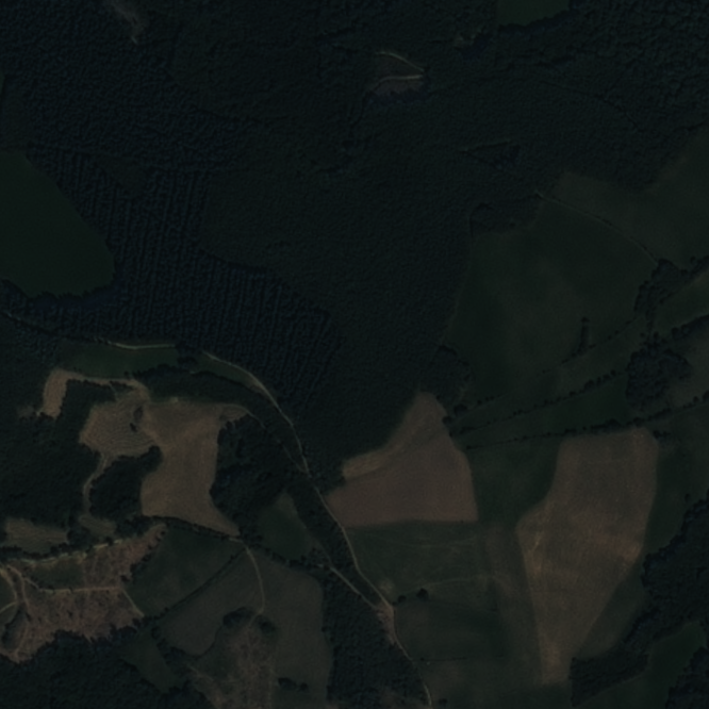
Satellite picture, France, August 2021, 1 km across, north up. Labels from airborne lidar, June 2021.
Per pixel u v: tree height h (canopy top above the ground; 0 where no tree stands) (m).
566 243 0
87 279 0
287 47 19
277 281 20
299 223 21
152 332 22
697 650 0
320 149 13
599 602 0
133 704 24
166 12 20
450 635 0
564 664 0
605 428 9
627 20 18
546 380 0
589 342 14
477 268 0
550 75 14
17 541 0
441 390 19
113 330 29
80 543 16
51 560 11
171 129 24
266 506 9
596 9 14
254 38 17
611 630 0
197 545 0
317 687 0
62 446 8
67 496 13
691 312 0
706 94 18
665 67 17
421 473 0
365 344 20
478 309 0
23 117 15
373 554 0
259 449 15
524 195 16
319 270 19
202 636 0
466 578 0
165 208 29
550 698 0
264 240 18
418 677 15
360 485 0
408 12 23
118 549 23
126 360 0
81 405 10
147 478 0
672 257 0
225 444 15
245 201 19
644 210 0
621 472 0
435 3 24
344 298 20
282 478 10
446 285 18
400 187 22
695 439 0
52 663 27
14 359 8
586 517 0
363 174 23
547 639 0
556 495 0
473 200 16
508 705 0
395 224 19
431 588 0
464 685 0
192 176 22
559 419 0
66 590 18
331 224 17
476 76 16
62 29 25
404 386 19
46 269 0
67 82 25
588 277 0
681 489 0
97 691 26
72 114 22
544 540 0
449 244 21
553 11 0
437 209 20
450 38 20
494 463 0
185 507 0
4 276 0
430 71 19
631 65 15
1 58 26
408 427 0
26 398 18
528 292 0
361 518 0
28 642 17
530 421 0
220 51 18
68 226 0
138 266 29
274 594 0
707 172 0
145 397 0
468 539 0
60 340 14
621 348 0
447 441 0
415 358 20
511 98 16
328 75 26
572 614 0
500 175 15
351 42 30
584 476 0
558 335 0
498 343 0
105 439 0
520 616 0
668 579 31
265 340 22
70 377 0
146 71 24
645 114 25
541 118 17
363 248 17
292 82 14
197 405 0
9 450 7
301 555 0
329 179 19
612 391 0
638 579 0
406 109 19
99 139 24
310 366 24
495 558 0
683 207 0
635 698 0
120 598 21
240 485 28
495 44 19
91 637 28
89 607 18
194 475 0
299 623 0
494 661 0
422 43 19
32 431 8
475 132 16
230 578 0
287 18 15
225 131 29
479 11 19
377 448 11
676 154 17
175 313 23
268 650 16
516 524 0
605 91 14
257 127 24
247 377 0
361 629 7
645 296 13
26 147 14
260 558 0
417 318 20
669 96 20
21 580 14
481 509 0
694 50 18
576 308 0
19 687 14
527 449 0
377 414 20
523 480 0
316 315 28
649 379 14
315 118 14
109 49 24
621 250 0
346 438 17
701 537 27
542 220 0
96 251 0
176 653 12
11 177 0
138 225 25
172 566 0
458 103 17
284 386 25
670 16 20
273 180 21
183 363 11
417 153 22
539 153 21
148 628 16
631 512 0
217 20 24
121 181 16
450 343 0
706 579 29
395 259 20
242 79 17
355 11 28
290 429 10
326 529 6
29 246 0
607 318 0
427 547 0
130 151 24
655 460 0
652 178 10
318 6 18
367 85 19
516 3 0
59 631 22
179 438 0
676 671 0
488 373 0
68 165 25
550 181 18
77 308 27
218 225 17
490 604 0
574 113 18
